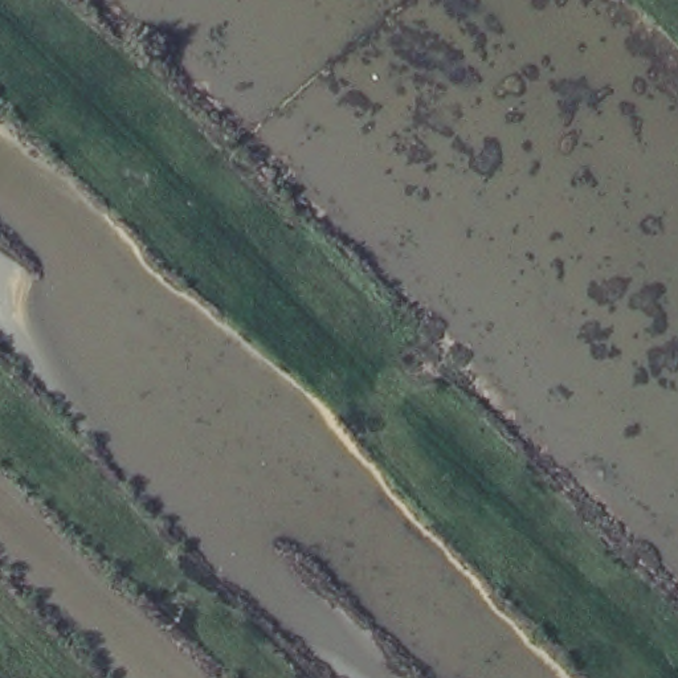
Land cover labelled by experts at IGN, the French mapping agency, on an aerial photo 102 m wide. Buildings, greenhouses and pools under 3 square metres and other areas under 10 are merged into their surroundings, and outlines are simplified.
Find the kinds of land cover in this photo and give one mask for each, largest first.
<instances>
[{"label":"water","instance_id":"1","mask_svg":"<svg viewBox=\"0 0 678 678\"><path fill-rule=\"evenodd\" d=\"M95 8L98 19L117 37L130 34V29L162 34L164 50L162 58L154 64L172 74L175 87L201 101L207 111L233 109L244 127L254 132L262 146L270 148V159H278L286 167V177L305 185L302 193L307 196L315 215L328 217L339 230H347L352 238L363 241L376 254L381 270L389 278L400 281L405 294V302L400 305L408 307L413 318L445 328L442 344L450 347L466 355L463 373L474 384V389L485 400H490V405L498 408L503 418L514 421L522 437L532 440L543 456H551L556 463H561L588 490V495L601 509V519L620 522L628 538L649 546L662 572L678 580V40L667 42L657 29L638 19L628 0H87ZM0 217L40 254L45 273H29L32 286L26 294V320L13 326L8 336L13 347L29 358L32 371L45 381V387L64 395L72 413H82V424H77L74 429V434L87 440L93 432H106L117 463L124 471H132L135 477L140 474L146 479L148 493L159 498L170 514H177L180 527L199 540L217 577H225L246 588L291 633L302 636L310 644V649L323 662H328L339 678H389L392 673L387 670L381 649L376 644L379 636L392 641L395 649L416 665V678H554L556 673L551 670V665L543 662L514 633V628L506 620H501L487 606L479 591L469 583V577L448 561V556L389 501L379 479L342 445V440L326 424L323 413L310 403V397H305L278 371L260 360L246 342H241L222 326L217 320H209L185 297L175 294L170 286L156 281L140 265L135 252L117 236L111 222L77 193L74 183L53 172L29 146H21L19 140L0 135ZM286 546L310 559L350 601L352 609L328 606L323 599H318L278 556V548ZM13 561H24L29 585L48 588L50 601L61 606L69 620H74L85 630L101 633L111 665L124 678H201V667L164 636V622L146 620L130 601L106 588L95 569L82 556H77L74 548H69L61 538L50 532V527L34 506L21 503L19 495L8 487V482L0 477V567H8Z\"/></svg>","mask_w":678,"mask_h":678},{"label":"herbaceous vegetation","instance_id":"2","mask_svg":"<svg viewBox=\"0 0 678 678\"><path fill-rule=\"evenodd\" d=\"M66 0H0V135L19 140L21 146H29L53 172L74 183L77 180L79 185H85L93 193V199L103 204L140 241V246L159 270L175 275L188 291L212 305L225 320L222 326L241 342H246L260 360L278 371L281 368L291 373L299 384H305L336 413V418L352 434L360 450L379 466L381 474H387V479L416 509V514L426 519L429 530H434L487 583L501 609L511 612L524 622L532 614L535 620L556 625L561 641L583 654L585 667L593 678H678V609L638 569H630L622 561V551L606 543L591 511H580L569 498L554 490L548 477L538 474L527 463L524 453L509 442V434L495 424L493 416H487L479 408L477 400L437 379L442 368H448L450 347L442 344L437 347L432 363L403 365L400 352L413 336V318L408 307L400 305L384 286L376 283L371 273L360 267L358 257H344L336 241H331L323 230H318V225H313L305 215L294 209L291 193L273 185V172L267 167H260L249 154H244L238 162L220 159L217 151L207 146V138L196 132V124L175 103L164 101L167 93L175 87L172 74L154 64L146 58L140 66L130 64L122 53L119 40L114 42V48H109L103 37H98L82 21H77V16L64 5ZM638 19L657 29L667 42L678 40V0H628ZM0 477L8 482V487L19 495L21 503L34 506L56 501L69 514V519L85 527L101 546H106L111 556L127 559L132 564L135 577H140L143 583L162 591L177 604H191L199 612L196 636L217 657L225 659V670L233 678H291L294 667L270 649V628L257 625L241 606L222 604L217 593L204 591L193 577L183 572L180 556L185 554V546L170 540L164 532V522L156 519L132 495L130 485L111 477V471H106L98 463L93 445L87 440L74 434V429L69 418L48 397H37L24 384L21 371L13 360L0 358ZM95 667L93 657L82 652L79 641L56 630L53 620L37 609L32 596L19 593L11 585L8 567H0V678H90Z\"/></svg>","mask_w":678,"mask_h":678},{"label":"brushwood","instance_id":"3","mask_svg":"<svg viewBox=\"0 0 678 678\"><path fill-rule=\"evenodd\" d=\"M64 5L77 16V21H82L98 37H103L109 48H114V42L119 40L122 53L130 64L140 66L146 58L154 64L162 58L164 50L162 34L130 29V34L117 37L98 19L95 8L87 0H66ZM164 101L175 103L196 124V132L207 138V146L217 151L220 159L238 162L244 154H249L260 167H267L273 172V185L291 193L294 209L305 215L313 225H318V230H323L331 241H336L344 257H358L360 267L371 273L376 283L384 286L400 305L405 302V294L400 281L389 278L381 270L376 254L363 241L352 238L347 230H339L328 217L315 215L307 196L302 193L305 185L286 177V167L278 159H270V148L262 146L254 132L244 127L233 109L207 111L201 101L175 87L167 93ZM77 193L111 222L117 236L135 252L140 265L156 281L170 286L175 294L185 297L209 320H217L222 326L225 320L212 305L188 291L175 275L159 270L140 246V241L103 204L93 199V193L85 185H79L77 180L74 183ZM0 254L16 260L29 273H45L40 254L0 217ZM445 328L413 318V336L400 352L403 365L432 363L437 347L442 344ZM0 358L13 360L21 371L24 384L37 397H48L69 418L74 429L77 424H82V413H72L64 395L45 387V381L32 371L29 358L13 347L8 336L0 331ZM466 355L450 347L448 368H442L437 379L477 400L479 408L487 416H493L495 424L509 434V442L524 453L527 463L538 474L548 477L554 490L569 498L580 511H591L606 543L622 551V561L630 569H638L678 609V580L662 572L649 546L628 538L620 522L601 519V509L588 495V490L561 463H556L551 456H543L532 440L522 437L514 421L503 418L498 408L490 405V400H485L474 389V384L463 373ZM87 440L93 445L98 463L106 471H111V477L130 485L132 495L156 519L164 522V532L170 540L185 546V554L180 556L183 572L193 577L204 591L217 593L222 604L241 606L257 625L270 628V649L294 667L291 678H339L328 662H323L310 649V644L302 636L291 633L246 588L225 577H217L199 540L180 527L177 514H170L159 498L148 493L146 479L140 474L135 477L132 471H124L117 463L106 432H93ZM50 527V532L61 538L69 548H74L77 556H82L95 569L106 588L130 601L146 620L164 622V636L201 667V678H233L225 670V659L217 657L196 636L199 612L191 604H177L162 591L143 583L140 577H135L132 564L127 559L111 556L106 546H101L85 527L69 519V514L56 501L34 506ZM278 556L318 599H323L328 606L352 609L350 601L310 559L286 546L278 548ZM11 585L19 593L32 596L37 609L53 620L56 630L79 641L82 652L93 657L95 667L90 678H124L111 665L101 633L85 630L74 620H69L61 606L50 601L48 588L29 585L24 561H13L8 567ZM532 641L543 644L556 659L567 665L564 678H593L585 667L583 654L561 641L556 625L535 620L532 614L524 622ZM376 644L381 649L387 670L392 673L389 678H416V665L395 649L392 641L379 636Z\"/></svg>","mask_w":678,"mask_h":678},{"label":"bare soil","instance_id":"4","mask_svg":"<svg viewBox=\"0 0 678 678\"><path fill-rule=\"evenodd\" d=\"M32 286L29 273L16 260L0 254V331L8 336L13 326L26 320V294ZM305 397H310V403L323 413L326 424L342 440V445L379 479L389 501L448 556V561L469 577V583L479 591L487 606L501 620H506L514 628V633L543 662L551 665V670L556 673L554 678H564L567 665L556 659L543 644L532 641L524 622L511 612L501 609L487 583L434 530H429L426 519L416 514V509L387 479V474H381L379 466L360 450L352 434L336 418V413L305 384H299L291 373L281 368L278 371Z\"/></svg>","mask_w":678,"mask_h":678}]
</instances>
